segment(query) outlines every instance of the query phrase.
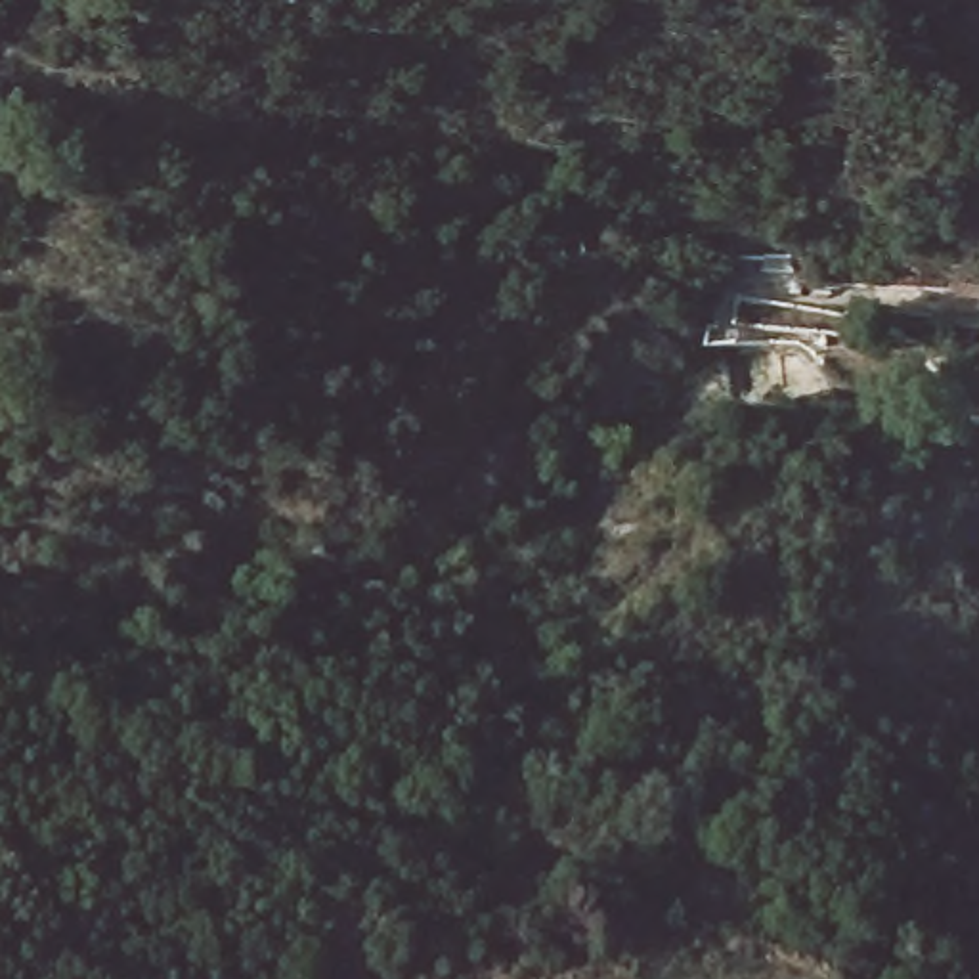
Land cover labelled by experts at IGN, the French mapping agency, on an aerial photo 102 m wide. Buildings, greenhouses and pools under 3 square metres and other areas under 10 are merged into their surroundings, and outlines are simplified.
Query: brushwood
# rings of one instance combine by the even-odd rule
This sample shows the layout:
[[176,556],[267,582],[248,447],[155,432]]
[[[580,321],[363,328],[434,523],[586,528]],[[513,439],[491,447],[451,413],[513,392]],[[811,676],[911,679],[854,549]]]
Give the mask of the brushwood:
[[[31,562],[19,574],[0,570],[0,589],[8,597],[27,597],[42,604],[54,616],[69,616],[76,627],[122,627],[138,608],[153,608],[161,623],[176,635],[214,631],[222,620],[226,593],[233,589],[233,570],[256,558],[256,532],[268,512],[256,447],[260,428],[272,428],[275,444],[298,447],[314,444],[321,432],[340,432],[340,447],[333,459],[337,474],[356,474],[356,463],[371,463],[375,482],[390,497],[413,501],[409,520],[386,528],[382,547],[394,547],[409,566],[432,566],[470,528],[486,524],[497,512],[497,505],[486,497],[490,490],[482,474],[505,470],[501,459],[528,440],[532,421],[539,417],[543,398],[528,386],[528,375],[543,359],[551,363],[551,371],[570,367],[577,344],[589,352],[589,363],[600,375],[589,386],[593,417],[604,428],[627,424],[631,436],[654,455],[650,463],[631,470],[631,486],[604,512],[612,524],[635,524],[631,535],[604,535],[600,547],[600,577],[608,577],[623,597],[600,616],[600,627],[623,639],[627,616],[646,612],[658,600],[662,585],[681,581],[700,562],[727,558],[727,547],[707,524],[711,486],[700,478],[692,463],[677,463],[673,451],[662,447],[696,405],[696,390],[673,367],[654,371],[631,356],[639,329],[650,321],[639,310],[635,294],[662,268],[662,249],[669,237],[700,241],[711,252],[723,252],[727,260],[750,252],[792,252],[795,279],[807,294],[818,287],[849,283],[979,283],[979,111],[968,119],[952,107],[952,80],[937,73],[910,76],[887,57],[883,0],[130,0],[126,38],[134,46],[141,76],[96,92],[84,84],[46,76],[27,61],[4,57],[4,46],[19,46],[31,34],[42,0],[0,0],[0,99],[8,92],[23,92],[27,103],[65,107],[73,134],[69,145],[80,145],[96,157],[92,176],[103,184],[103,195],[111,199],[119,191],[149,187],[161,176],[157,157],[164,141],[184,149],[187,172],[180,195],[164,210],[134,207],[126,214],[126,241],[111,241],[92,210],[92,199],[73,195],[69,210],[54,218],[46,229],[46,252],[38,260],[4,268],[4,283],[50,287],[46,359],[54,363],[54,379],[61,379],[57,398],[65,413],[88,417],[88,424],[96,428],[99,455],[111,455],[122,444],[141,444],[149,490],[122,493],[111,482],[99,490],[103,509],[92,524],[111,528],[107,547],[65,535],[54,566]],[[314,80],[317,92],[325,92],[325,115],[283,119],[264,111],[264,57],[275,46],[291,42],[298,42],[298,50],[306,54],[302,73]],[[478,187],[474,180],[444,184],[436,164],[436,107],[463,115],[478,107],[490,96],[486,76],[497,65],[497,57],[512,57],[512,69],[520,69],[524,61],[551,65],[551,73],[532,92],[539,92],[539,99],[547,99],[551,119],[562,122],[562,141],[577,145],[581,153],[581,191],[566,195],[558,210],[547,210],[539,218],[558,241],[566,241],[566,264],[558,264],[558,272],[535,294],[535,306],[528,306],[520,317],[501,314],[501,275],[478,249],[482,229],[505,210],[501,191]],[[371,115],[375,88],[390,73],[409,65],[424,69],[424,84],[386,119]],[[627,99],[627,111],[642,119],[635,153],[620,145],[616,122],[589,122],[589,111],[604,99]],[[753,138],[753,153],[730,172],[723,172],[711,161],[711,153],[692,141],[704,130],[704,122],[715,119],[727,119]],[[260,191],[260,195],[252,199],[252,214],[237,214],[237,210],[233,210],[233,195],[241,191],[241,184],[245,184],[245,176],[249,176],[252,168],[268,168],[268,187],[264,187],[264,191]],[[803,199],[818,199],[838,180],[845,184],[845,195],[860,203],[860,233],[853,252],[830,241],[788,249],[780,233],[803,218]],[[413,210],[398,229],[386,233],[371,214],[371,199],[402,187],[413,191]],[[157,287],[157,272],[164,268],[157,245],[187,245],[187,237],[203,237],[214,229],[233,237],[226,252],[226,275],[237,283],[237,314],[245,317],[252,344],[252,371],[241,375],[233,390],[233,409],[226,417],[229,451],[222,459],[164,444],[164,428],[149,417],[141,402],[161,371],[164,379],[184,379],[180,417],[187,421],[199,413],[207,390],[222,379],[222,352],[207,325],[191,329],[187,352],[176,352],[164,337],[130,344],[122,325],[107,325],[115,317],[115,302],[145,302],[145,294]],[[390,317],[390,310],[417,291],[436,291],[440,306],[421,321]],[[164,570],[168,581],[184,585],[180,600],[172,604],[149,585],[141,566],[145,555],[168,551],[191,532],[199,532],[203,547],[187,551]]]

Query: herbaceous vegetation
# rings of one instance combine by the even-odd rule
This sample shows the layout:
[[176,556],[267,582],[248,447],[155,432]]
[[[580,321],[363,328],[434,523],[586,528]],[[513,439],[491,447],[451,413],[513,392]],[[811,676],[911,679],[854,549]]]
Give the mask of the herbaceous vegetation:
[[853,945],[841,968],[811,960],[803,952],[776,948],[772,937],[761,929],[757,937],[734,933],[715,948],[704,937],[692,937],[685,948],[662,960],[662,968],[650,979],[880,979],[880,971],[891,968],[899,956],[899,925],[876,922],[872,937]]
[[834,558],[849,566],[849,577],[857,585],[872,585],[880,577],[872,547],[895,543],[899,577],[891,581],[891,593],[899,597],[899,604],[906,597],[925,593],[941,566],[960,566],[964,581],[979,593],[979,413],[971,421],[975,428],[968,432],[968,440],[948,447],[925,447],[925,467],[891,467],[883,478],[872,482],[868,501],[838,501],[830,516]]
[[642,979],[639,956],[623,956],[616,964],[604,952],[585,956],[581,968],[558,971],[551,979]]
[[899,371],[922,379],[925,371],[941,371],[956,344],[948,337],[937,348],[895,348],[891,356],[899,359]]
[[853,371],[872,375],[880,363],[876,356],[845,344],[845,337],[838,333],[841,317],[776,310],[772,321],[826,333],[826,390],[857,394]]

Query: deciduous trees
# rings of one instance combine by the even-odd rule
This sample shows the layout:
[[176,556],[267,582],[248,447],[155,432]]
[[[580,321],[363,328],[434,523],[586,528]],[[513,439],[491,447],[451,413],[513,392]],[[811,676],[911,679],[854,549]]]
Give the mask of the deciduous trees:
[[818,199],[803,199],[803,218],[780,233],[788,249],[830,241],[853,252],[860,233],[860,203],[845,195],[845,184],[838,180]]
[[252,168],[249,176],[245,176],[245,184],[241,184],[241,191],[233,195],[233,210],[237,210],[237,214],[252,214],[252,199],[260,195],[260,191],[264,191],[264,187],[268,187],[268,168]]
[[371,115],[386,119],[424,84],[424,69],[409,65],[390,73],[375,88]]
[[222,352],[222,379],[207,390],[199,413],[187,421],[180,417],[184,379],[164,379],[161,371],[141,402],[149,417],[164,428],[164,444],[222,459],[229,451],[226,417],[233,409],[233,390],[241,375],[252,371],[252,344],[245,317],[237,314],[237,283],[226,275],[226,252],[233,237],[214,229],[203,237],[187,237],[187,245],[157,245],[164,268],[157,272],[157,287],[145,294],[145,302],[115,302],[115,317],[107,325],[122,325],[130,344],[164,337],[176,352],[187,352],[191,329],[207,325]]
[[[497,512],[486,524],[470,528],[432,566],[409,566],[394,547],[382,547],[386,528],[409,520],[413,501],[390,497],[375,482],[371,463],[356,463],[356,474],[337,474],[333,459],[340,447],[340,432],[321,432],[314,444],[298,447],[275,444],[272,428],[260,428],[256,447],[268,512],[256,532],[256,558],[233,570],[233,589],[226,593],[222,620],[214,631],[176,635],[161,623],[153,608],[138,608],[122,627],[76,627],[69,616],[54,616],[42,604],[27,597],[8,597],[0,589],[0,979],[551,979],[558,971],[581,968],[585,956],[604,952],[616,964],[623,956],[639,956],[642,979],[650,979],[662,968],[662,960],[685,948],[692,937],[704,937],[715,948],[734,933],[757,937],[761,929],[772,937],[776,948],[803,952],[811,960],[841,968],[853,945],[872,937],[876,922],[899,925],[899,956],[891,968],[880,971],[880,979],[979,979],[979,593],[964,581],[960,566],[941,566],[925,593],[906,597],[899,604],[899,597],[891,593],[891,581],[899,577],[895,543],[872,547],[880,577],[872,585],[857,585],[849,577],[849,566],[834,558],[830,516],[838,501],[868,501],[872,482],[883,478],[891,467],[925,467],[925,447],[948,447],[968,440],[968,432],[975,428],[971,421],[979,413],[979,298],[925,294],[918,302],[895,306],[860,298],[849,302],[841,317],[838,333],[845,337],[845,344],[876,356],[880,363],[872,375],[853,371],[857,394],[826,390],[795,398],[772,390],[761,405],[750,405],[746,390],[753,382],[753,367],[765,363],[765,356],[757,348],[704,348],[704,333],[723,337],[730,321],[772,321],[776,310],[772,298],[784,298],[784,283],[795,279],[792,252],[750,252],[727,260],[723,252],[711,252],[700,241],[669,237],[662,249],[662,268],[635,294],[639,310],[650,321],[639,329],[631,356],[654,371],[673,367],[696,390],[696,405],[662,447],[673,451],[677,463],[692,463],[700,478],[711,486],[707,524],[727,547],[727,558],[700,562],[681,581],[662,585],[658,600],[646,612],[627,616],[623,639],[600,627],[600,616],[623,597],[608,577],[600,577],[600,547],[604,535],[631,535],[635,524],[612,524],[604,512],[631,486],[631,470],[650,463],[654,455],[631,436],[627,424],[604,428],[593,417],[589,386],[600,375],[589,363],[589,352],[577,344],[570,367],[551,371],[551,363],[543,359],[528,375],[528,386],[543,398],[539,417],[532,421],[528,440],[501,459],[505,470],[482,474],[490,490],[486,497],[497,505]],[[956,344],[941,371],[925,371],[922,379],[899,371],[899,359],[891,356],[895,348],[937,348],[948,337]]]
[[440,306],[436,291],[417,291],[390,310],[390,317],[421,321]]
[[371,199],[371,214],[386,233],[398,229],[413,210],[413,191],[402,187]]
[[723,172],[730,172],[753,153],[753,138],[727,119],[715,119],[704,122],[704,130],[692,141],[711,153],[711,161]]
[[191,532],[168,551],[145,555],[141,566],[149,585],[172,604],[180,600],[184,585],[168,581],[164,570],[187,551],[203,547],[199,532]]
[[482,229],[478,249],[501,275],[501,314],[520,317],[528,306],[535,306],[535,294],[558,272],[558,264],[566,264],[566,241],[558,241],[539,218],[547,210],[558,210],[566,195],[581,191],[581,153],[577,145],[562,141],[562,122],[551,119],[547,99],[539,99],[539,92],[532,92],[551,73],[551,65],[524,61],[520,69],[512,69],[512,57],[497,57],[497,65],[486,76],[490,96],[478,107],[463,115],[436,107],[436,164],[444,184],[474,180],[478,187],[501,191],[505,210]]
[[84,84],[96,92],[141,76],[134,46],[126,38],[130,0],[42,0],[31,34],[19,46],[4,46],[4,57],[27,61],[46,76]]
[[325,115],[325,92],[317,92],[314,80],[302,73],[306,54],[298,50],[298,42],[291,42],[275,46],[264,57],[264,111],[283,119]]
[[968,119],[979,111],[979,0],[883,0],[887,57],[910,76],[937,73],[952,80],[952,107]]
[[111,241],[126,241],[126,214],[134,207],[164,210],[180,195],[187,172],[184,149],[164,141],[157,157],[161,176],[149,187],[119,191],[111,199],[103,195],[103,184],[92,176],[96,157],[80,145],[69,145],[73,134],[65,107],[27,103],[23,92],[8,92],[0,99],[0,570],[19,574],[31,562],[54,566],[65,535],[107,547],[111,528],[92,524],[103,509],[99,490],[111,482],[122,493],[149,490],[141,444],[122,444],[111,455],[99,455],[96,428],[88,424],[88,417],[65,413],[57,398],[61,379],[54,379],[54,363],[46,359],[50,287],[4,283],[4,268],[38,260],[46,252],[46,229],[54,218],[69,210],[73,195],[92,199],[92,210]]
[[627,99],[604,99],[589,111],[589,122],[616,122],[620,145],[635,153],[642,119],[627,111]]

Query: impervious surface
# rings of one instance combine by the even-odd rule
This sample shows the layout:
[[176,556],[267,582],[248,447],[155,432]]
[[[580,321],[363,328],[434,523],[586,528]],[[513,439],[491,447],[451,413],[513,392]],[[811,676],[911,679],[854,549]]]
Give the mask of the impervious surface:
[[849,302],[860,298],[895,306],[918,302],[925,294],[979,298],[979,283],[849,283],[818,287],[807,294],[795,279],[784,283],[784,298],[772,298],[776,310],[841,317]]
[[723,337],[704,333],[704,348],[757,348],[765,356],[765,363],[753,367],[753,382],[746,390],[750,405],[761,405],[772,390],[795,398],[826,390],[826,333],[772,321],[730,321]]

